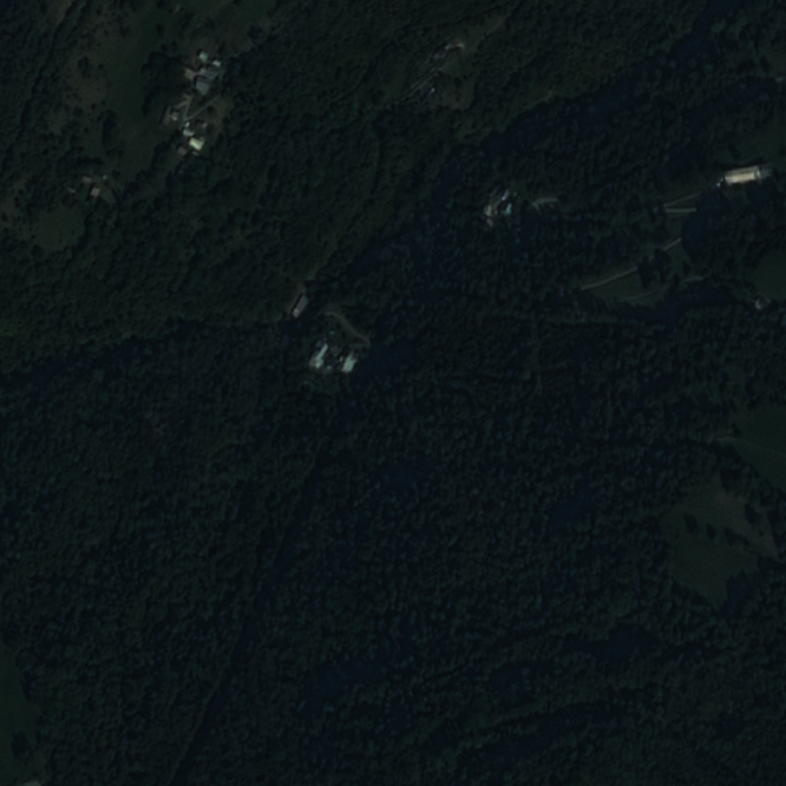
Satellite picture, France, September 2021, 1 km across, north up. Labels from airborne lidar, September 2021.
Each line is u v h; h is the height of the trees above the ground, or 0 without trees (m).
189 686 22
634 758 28
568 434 11
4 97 23
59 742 16
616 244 0
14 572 26
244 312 18
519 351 14
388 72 25
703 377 7
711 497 0
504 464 19
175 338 21
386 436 9
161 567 15
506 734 26
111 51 0
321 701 7
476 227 21
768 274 0
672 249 0
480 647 19
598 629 23
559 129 26
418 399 22
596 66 20
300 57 17
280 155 21
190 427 33
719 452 0
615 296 0
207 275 18
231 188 28
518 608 27
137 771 31
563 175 31
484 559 26
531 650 27
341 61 17
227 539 30
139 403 32
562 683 30
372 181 17
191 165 12
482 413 21
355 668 6
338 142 21
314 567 21
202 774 32
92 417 23
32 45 12
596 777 28
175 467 29
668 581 23
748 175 0
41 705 12
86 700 26
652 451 9
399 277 26
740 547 14
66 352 30
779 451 0
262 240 18
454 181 34
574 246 16
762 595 22
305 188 11
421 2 29
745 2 31
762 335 23
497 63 17
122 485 32
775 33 22
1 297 24
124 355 12
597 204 14
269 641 30
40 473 31
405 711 22
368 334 11
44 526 26
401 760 27
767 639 23
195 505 25
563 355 6
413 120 19
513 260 20
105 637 17
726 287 8
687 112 14
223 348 35
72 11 9
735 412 14
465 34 7
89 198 6
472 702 24
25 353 26
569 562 27
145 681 37
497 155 21
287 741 31
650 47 22
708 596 0
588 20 23
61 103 8
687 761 27
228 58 14
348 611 31
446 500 24
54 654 16
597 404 32
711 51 24
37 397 34
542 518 29
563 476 24
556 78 19
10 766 0
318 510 21
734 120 26
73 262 9
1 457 34
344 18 29
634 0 23
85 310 23
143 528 26
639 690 23
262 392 31
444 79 10
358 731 29
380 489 18
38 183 14
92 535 30
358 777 27
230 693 24
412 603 14
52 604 31
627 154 29
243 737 33
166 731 29
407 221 29
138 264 20
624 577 26
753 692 24
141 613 18
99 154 0
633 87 37
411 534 14
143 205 18
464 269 17
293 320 10
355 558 26
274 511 21
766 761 27
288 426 7
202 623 8
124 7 10
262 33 17
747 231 22
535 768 24
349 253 24
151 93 7
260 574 10
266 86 25
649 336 16
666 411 17
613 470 23
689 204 0
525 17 17
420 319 14
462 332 14
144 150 0
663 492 25
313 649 30
